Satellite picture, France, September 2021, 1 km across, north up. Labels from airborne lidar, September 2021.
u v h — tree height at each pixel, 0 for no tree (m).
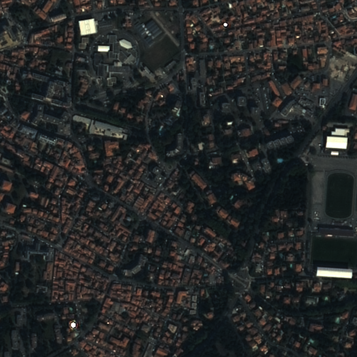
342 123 16
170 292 0
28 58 12
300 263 5
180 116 8
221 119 19
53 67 8
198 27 0
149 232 0
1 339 13
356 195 0
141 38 0
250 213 28
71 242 0
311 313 21
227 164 16
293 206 21
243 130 0
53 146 15
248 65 10
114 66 0
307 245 8
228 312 8
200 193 22
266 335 9
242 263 13
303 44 0
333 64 0
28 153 0
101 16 0
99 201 8
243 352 14
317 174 0
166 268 8
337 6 0
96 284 0
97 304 10
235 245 25
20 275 15
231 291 29
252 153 0
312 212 0
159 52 0
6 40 0
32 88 15
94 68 10
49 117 0
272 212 22
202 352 15
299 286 0
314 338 13
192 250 0
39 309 14
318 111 12
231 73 9
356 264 0
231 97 11
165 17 0
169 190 7
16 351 10
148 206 0
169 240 7
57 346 17
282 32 0
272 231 8
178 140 0
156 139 23
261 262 0
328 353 23
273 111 0
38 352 21
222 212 0
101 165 8
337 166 0
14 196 16
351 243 0
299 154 0
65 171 10
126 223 16
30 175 9
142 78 20
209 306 9
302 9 0
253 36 8
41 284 14
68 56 0
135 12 9
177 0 7
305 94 0
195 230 7
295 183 31
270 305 8
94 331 0
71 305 8
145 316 0
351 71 0
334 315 8
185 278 0
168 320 0
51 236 0
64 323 8
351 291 0
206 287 7
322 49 0
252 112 0
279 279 11
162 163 0
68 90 0
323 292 6
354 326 6
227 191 26
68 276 0
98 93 8
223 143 23
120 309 0
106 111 0
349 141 11
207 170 24
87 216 8
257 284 8
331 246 0
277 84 0
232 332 19
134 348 0
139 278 17
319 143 0
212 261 0
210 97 8
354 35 0
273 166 25
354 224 0
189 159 18
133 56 0
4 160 0
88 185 0
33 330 15
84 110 19
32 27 0
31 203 17
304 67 6
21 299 13
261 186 13
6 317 15
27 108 11
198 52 12
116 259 0
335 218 0
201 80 0
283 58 6
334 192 0
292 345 10
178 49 0
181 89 17
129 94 14
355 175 0
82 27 0
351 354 18
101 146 22
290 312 15
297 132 0
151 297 8
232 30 0
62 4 12
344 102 11
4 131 0
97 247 0
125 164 6
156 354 0
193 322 0
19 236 0
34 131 0
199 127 12
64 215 0
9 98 6
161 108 8
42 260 21
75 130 14
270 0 8
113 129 0
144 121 7
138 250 6
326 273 0
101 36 0
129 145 7
